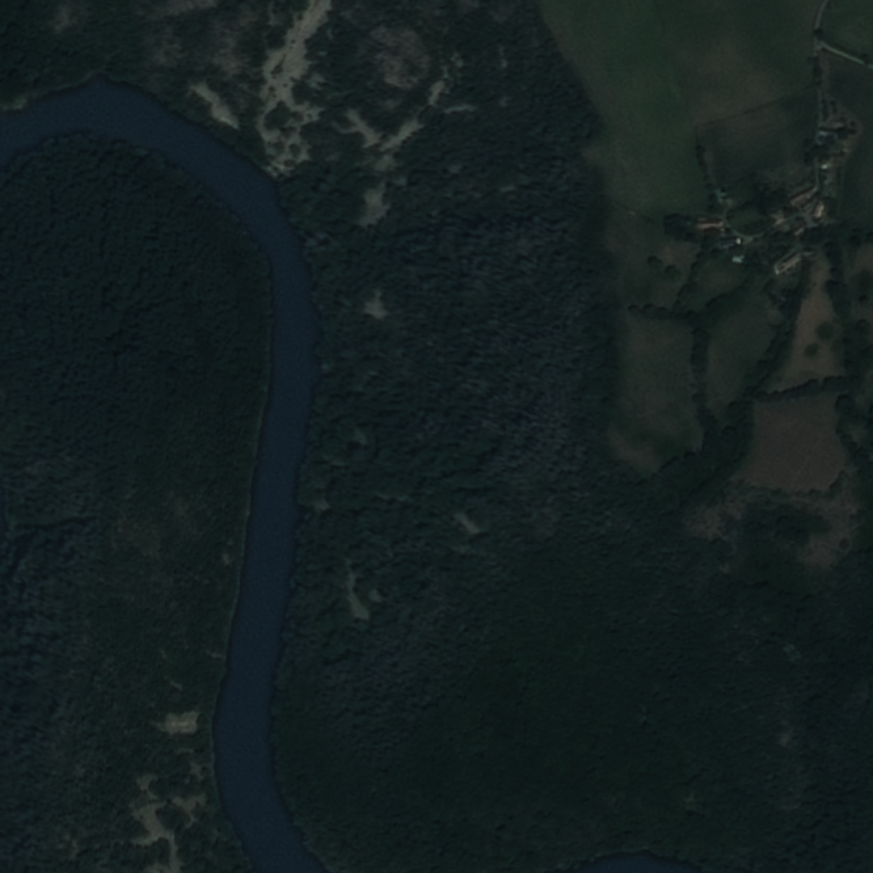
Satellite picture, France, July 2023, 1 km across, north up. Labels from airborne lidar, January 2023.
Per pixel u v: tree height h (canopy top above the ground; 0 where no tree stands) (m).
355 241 9
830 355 0
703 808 19
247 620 0
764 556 0
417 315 11
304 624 22
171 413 19
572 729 25
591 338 17
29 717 19
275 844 0
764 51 0
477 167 8
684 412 0
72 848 8
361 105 13
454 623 15
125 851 13
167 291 27
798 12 0
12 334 25
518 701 10
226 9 11
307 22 0
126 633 22
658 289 0
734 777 12
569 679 22
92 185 28
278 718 14
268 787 0
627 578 20
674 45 0
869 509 7
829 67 0
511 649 19
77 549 13
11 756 10
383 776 22
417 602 13
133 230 24
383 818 22
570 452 20
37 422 16
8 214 27
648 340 0
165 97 14
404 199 6
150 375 25
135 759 11
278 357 0
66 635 11
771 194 9
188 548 9
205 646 13
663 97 0
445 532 5
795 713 15
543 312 12
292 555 0
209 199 20
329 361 12
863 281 0
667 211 0
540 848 25
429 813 26
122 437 25
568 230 15
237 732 0
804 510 0
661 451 0
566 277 23
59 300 27
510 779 25
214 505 12
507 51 12
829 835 19
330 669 19
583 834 28
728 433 11
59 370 24
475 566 12
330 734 23
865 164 0
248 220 0
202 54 6
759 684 13
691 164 0
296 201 23
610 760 25
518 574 12
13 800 19
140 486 12
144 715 17
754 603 12
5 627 16
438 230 11
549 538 7
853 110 0
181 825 14
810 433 0
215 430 21
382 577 18
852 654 24
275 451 0
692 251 0
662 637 16
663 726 24
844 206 0
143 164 19
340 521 17
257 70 10
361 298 7
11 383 15
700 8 0
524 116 8
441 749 22
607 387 10
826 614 13
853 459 6
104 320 25
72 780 8
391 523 11
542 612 20
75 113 0
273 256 0
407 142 10
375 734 18
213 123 7
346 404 16
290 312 0
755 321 0
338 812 21
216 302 21
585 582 19
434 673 12
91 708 17
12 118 0
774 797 9
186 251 27
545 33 11
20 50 22
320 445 8
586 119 13
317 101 7
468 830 24
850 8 0
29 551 8
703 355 13
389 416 12
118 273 21
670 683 18
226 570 9
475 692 14
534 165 12
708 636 18
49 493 10
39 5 17
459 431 11
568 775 24
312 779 20
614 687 25
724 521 0
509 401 19
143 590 7
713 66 0
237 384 21
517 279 7
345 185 8
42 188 27
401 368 7
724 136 0
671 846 28
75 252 26
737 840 18
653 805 26
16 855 12
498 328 16
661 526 16
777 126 0
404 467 15
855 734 16
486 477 17
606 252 0
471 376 15
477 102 12
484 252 10
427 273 14
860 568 11
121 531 9
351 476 9
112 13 19
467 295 16
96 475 17
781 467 0
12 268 23
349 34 10
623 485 14
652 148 0
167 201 25
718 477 9
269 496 0
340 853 13
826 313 0
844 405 19
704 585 11
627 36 0
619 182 0
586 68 0
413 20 7
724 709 15
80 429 23
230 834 13
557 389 18
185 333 24
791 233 9
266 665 0
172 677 13
